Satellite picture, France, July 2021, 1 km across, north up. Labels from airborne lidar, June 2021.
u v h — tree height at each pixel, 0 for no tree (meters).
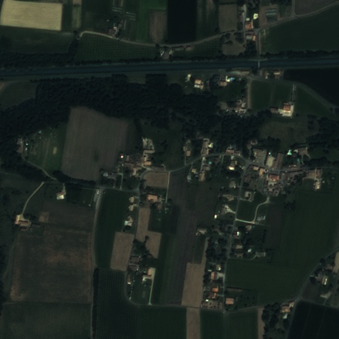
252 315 0
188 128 7
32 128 17
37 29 0
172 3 0
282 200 0
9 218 7
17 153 14
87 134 0
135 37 0
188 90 0
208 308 0
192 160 0
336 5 0
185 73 0
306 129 0
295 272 0
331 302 0
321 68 0
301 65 0
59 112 15
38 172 12
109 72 0
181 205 0
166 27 0
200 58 10
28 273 0
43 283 0
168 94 22
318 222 0
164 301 0
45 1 0
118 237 0
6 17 0
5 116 24
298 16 0
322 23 0
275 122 0
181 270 0
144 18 0
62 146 0
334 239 0
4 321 0
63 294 0
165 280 0
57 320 0
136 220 0
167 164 0
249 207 0
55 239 0
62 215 0
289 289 0
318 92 0
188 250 0
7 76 0
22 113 19
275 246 0
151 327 0
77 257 0
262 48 0
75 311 0
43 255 0
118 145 0
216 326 0
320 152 0
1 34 0
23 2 0
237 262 0
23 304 0
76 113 0
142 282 0
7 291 0
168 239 0
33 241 0
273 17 0
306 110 0
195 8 0
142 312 0
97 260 0
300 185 5
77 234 0
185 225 0
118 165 0
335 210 0
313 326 0
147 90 20
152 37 0
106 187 0
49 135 0
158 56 7
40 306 0
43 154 0
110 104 23
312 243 0
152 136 0
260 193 0
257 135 14
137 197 0
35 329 0
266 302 0
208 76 0
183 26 0
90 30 0
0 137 23
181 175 0
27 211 0
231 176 10
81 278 0
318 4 0
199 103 22
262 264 0
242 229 13
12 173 0
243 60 0
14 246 0
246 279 0
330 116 0
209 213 0
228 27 0
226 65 0
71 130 0
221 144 7
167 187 0
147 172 0
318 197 0
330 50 0
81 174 0
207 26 0
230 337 0
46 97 23
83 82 10
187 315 0
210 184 0
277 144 7
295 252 0
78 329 0
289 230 0
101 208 0
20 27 0
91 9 0
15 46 0
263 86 0
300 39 0
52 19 0
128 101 28
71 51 11
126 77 16
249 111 13
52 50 0
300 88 0
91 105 16
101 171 9
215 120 27
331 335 0
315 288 0
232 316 0
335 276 0
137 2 0
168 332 0
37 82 15
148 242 0
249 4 9
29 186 0
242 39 7
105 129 0
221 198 11
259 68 9
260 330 0
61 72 0
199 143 6
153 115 14
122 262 0
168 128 11
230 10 0
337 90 0
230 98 0
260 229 0
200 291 0
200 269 0
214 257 17
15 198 0
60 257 0
